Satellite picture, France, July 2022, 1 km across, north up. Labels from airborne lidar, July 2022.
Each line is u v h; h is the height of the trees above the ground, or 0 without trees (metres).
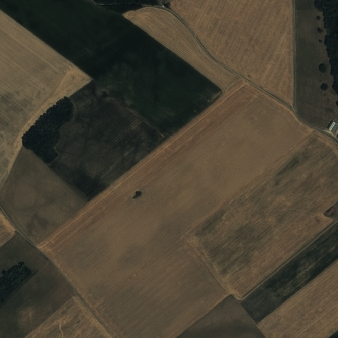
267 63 0
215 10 0
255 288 0
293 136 0
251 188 0
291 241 0
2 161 0
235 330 0
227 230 0
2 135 0
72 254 0
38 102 0
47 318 0
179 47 0
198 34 0
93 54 0
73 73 0
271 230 0
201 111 0
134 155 0
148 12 0
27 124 0
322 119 0
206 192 0
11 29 0
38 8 0
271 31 0
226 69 0
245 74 0
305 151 0
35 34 0
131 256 0
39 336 0
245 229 0
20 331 0
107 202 0
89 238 0
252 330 0
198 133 0
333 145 0
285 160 0
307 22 0
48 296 0
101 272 0
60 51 0
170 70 0
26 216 0
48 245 0
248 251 0
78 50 0
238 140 0
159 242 0
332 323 0
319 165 0
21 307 0
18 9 0
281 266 0
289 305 0
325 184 0
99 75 0
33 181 0
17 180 0
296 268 0
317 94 0
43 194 0
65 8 0
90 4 0
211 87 0
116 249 0
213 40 0
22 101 0
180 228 0
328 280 0
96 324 0
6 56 0
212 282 0
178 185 0
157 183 0
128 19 0
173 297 0
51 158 15
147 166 0
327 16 18
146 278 0
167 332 0
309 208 0
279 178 0
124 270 0
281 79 0
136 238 0
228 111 0
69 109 18
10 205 0
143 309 0
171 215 0
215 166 0
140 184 0
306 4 0
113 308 0
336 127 0
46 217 0
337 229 0
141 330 0
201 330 0
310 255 0
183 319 0
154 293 0
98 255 0
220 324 0
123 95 0
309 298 0
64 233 0
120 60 0
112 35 0
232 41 0
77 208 0
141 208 0
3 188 0
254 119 0
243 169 0
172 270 0
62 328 0
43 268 0
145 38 0
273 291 0
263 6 0
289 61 0
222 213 0
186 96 0
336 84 19
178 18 0
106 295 0
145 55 0
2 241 0
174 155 0
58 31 0
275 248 0
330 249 0
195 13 0
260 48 0
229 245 0
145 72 0
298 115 0
